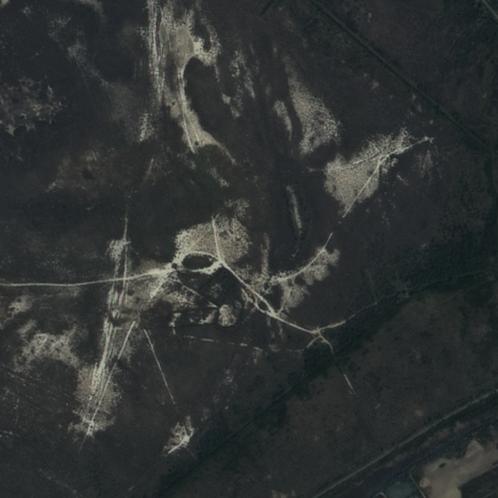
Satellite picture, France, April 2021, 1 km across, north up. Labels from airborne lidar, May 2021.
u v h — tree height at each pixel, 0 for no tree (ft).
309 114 0
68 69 0
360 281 0
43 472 0
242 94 0
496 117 0
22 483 0
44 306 0
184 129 0
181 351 0
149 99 0
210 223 0
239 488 0
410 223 0
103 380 0
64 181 0
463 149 0
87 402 0
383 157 0
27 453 0
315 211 0
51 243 0
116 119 0
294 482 0
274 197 0
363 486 0
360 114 0
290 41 0
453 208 0
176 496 0
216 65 0
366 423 0
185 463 0
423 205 0
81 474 0
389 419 0
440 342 0
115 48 0
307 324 0
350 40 0
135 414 0
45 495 0
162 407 0
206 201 0
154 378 0
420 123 0
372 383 0
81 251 0
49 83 0
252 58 0
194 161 0
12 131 0
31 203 0
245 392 0
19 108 0
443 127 0
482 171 0
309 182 0
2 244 0
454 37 0
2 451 0
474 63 0
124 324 0
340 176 0
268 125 0
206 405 0
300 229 0
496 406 22
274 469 0
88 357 0
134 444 0
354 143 0
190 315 0
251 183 0
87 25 0
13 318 0
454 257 23
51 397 0
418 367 0
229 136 0
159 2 0
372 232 0
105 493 0
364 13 0
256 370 0
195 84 0
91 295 0
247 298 0
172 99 0
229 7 0
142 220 0
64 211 0
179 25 0
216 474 0
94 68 0
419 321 0
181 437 0
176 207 0
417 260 20
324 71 0
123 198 0
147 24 0
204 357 0
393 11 0
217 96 0
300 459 0
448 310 0
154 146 0
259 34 0
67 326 0
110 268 0
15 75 0
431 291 28
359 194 0
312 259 0
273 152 0
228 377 0
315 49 0
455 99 0
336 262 0
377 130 0
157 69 0
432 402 0
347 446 0
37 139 0
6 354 0
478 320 0
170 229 0
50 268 0
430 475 0
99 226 0
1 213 0
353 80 0
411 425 0
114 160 0
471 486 0
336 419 0
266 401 0
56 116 0
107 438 0
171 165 0
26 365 0
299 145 0
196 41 0
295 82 0
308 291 0
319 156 0
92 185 0
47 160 0
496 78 0
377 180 0
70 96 0
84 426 0
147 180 0
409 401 0
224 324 0
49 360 0
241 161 0
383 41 0
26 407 0
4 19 0
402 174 0
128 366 0
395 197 0
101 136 0
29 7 0
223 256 0
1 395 0
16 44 0
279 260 0
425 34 0
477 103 0
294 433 0
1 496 0
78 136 0
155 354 0
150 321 0
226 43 0
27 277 0
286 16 0
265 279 0
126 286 0
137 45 0
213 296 0
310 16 0
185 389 0
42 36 0
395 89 0
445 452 25
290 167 0
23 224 0
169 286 0
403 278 19
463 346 0
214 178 0
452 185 0
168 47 0
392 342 0
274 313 0
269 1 0
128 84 0
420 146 0
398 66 0
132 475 0
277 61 0
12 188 0
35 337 0
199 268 0
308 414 0
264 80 0
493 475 0
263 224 0
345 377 0
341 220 0
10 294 0
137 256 0
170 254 0
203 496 0
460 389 0
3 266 0
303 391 0
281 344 0
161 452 0
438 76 0
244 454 0
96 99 0
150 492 0
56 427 0
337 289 0
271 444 0
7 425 0
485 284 0
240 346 0
